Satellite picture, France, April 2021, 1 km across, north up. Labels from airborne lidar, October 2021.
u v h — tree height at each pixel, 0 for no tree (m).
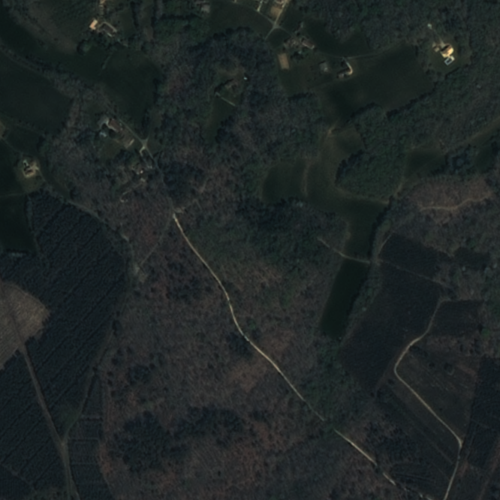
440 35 14
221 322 12
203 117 23
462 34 18
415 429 6
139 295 11
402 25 25
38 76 0
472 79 20
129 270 18
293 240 14
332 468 21
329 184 0
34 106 0
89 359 19
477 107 14
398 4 28
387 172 29
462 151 13
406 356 0
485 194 0
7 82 0
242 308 11
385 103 0
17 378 19
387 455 11
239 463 8
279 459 24
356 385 13
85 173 15
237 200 8
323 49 0
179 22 20
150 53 17
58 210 19
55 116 0
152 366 8
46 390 9
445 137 11
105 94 7
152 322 15
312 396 27
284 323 18
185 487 14
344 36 16
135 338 10
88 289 19
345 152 0
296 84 0
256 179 21
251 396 10
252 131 27
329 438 17
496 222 23
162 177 11
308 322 11
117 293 19
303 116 26
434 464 6
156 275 19
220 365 18
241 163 29
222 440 12
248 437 8
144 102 0
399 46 0
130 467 27
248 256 15
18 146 0
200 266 9
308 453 18
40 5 10
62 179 17
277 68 11
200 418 22
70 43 0
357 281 0
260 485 21
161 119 0
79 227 17
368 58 0
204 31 24
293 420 24
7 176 0
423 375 0
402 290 7
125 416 8
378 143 21
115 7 0
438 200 0
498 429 8
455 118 17
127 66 0
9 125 0
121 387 10
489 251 13
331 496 7
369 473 9
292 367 17
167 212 14
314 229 12
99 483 18
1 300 0
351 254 0
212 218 11
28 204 19
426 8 23
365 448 14
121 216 11
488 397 8
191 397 14
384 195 22
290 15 0
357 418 12
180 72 23
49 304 20
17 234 0
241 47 18
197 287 23
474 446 8
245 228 14
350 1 24
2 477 14
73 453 12
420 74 0
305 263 14
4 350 0
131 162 17
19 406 19
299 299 9
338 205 0
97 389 12
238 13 0
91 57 0
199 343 8
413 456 13
